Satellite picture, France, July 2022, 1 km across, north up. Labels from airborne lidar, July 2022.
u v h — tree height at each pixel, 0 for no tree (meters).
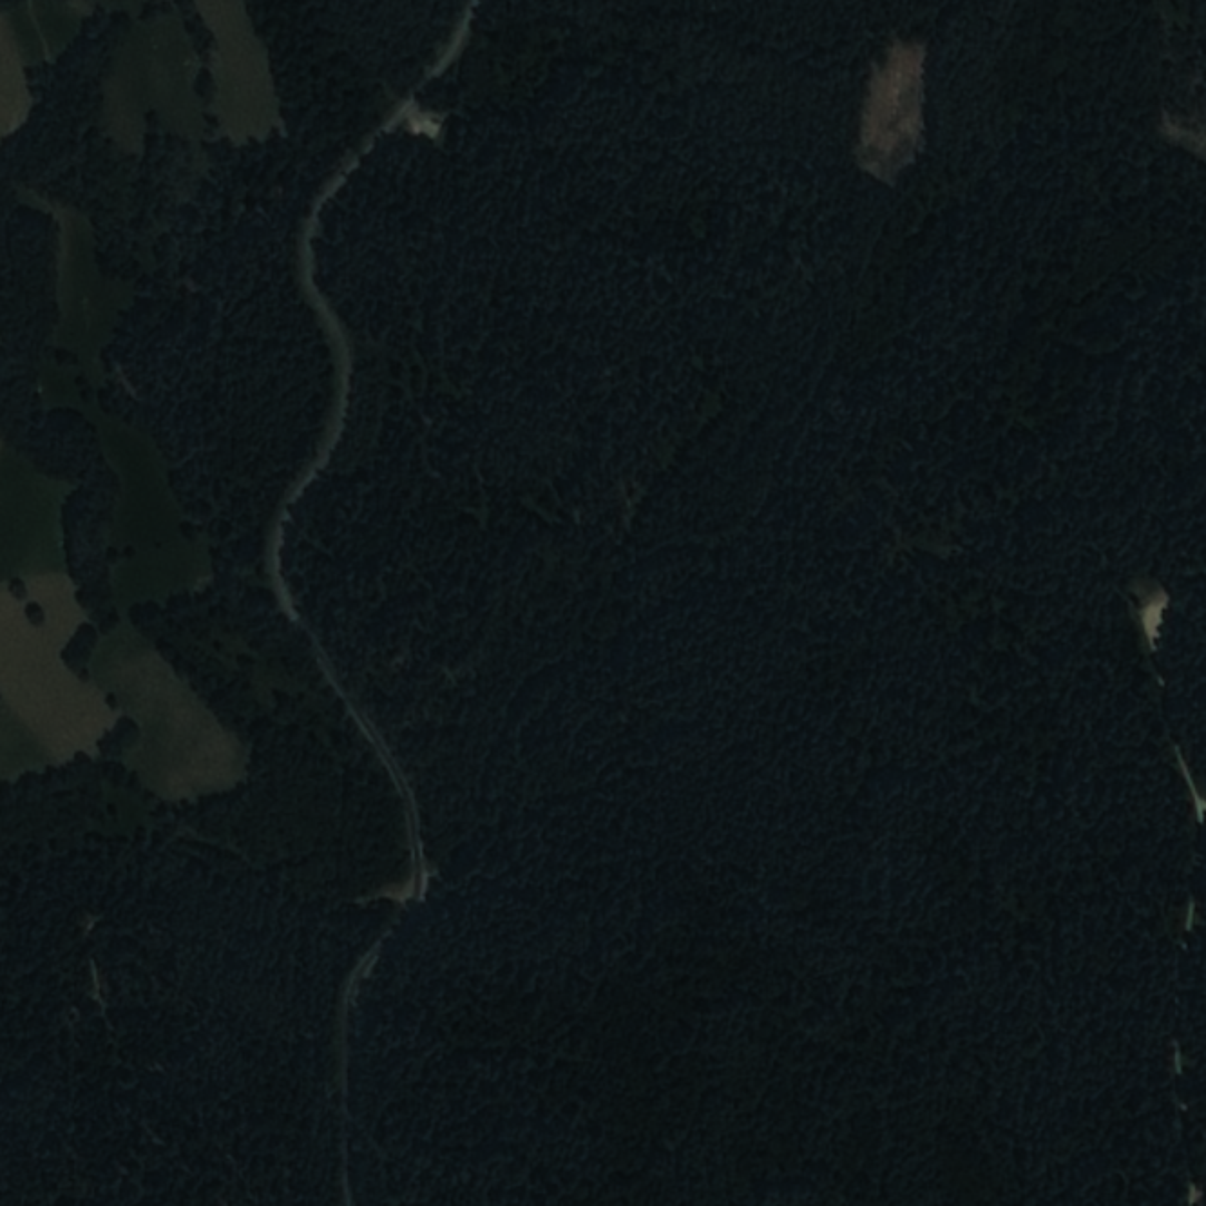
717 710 30
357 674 28
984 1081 23
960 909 28
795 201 8
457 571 29
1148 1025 32
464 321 13
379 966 8
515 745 35
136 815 0
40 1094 32
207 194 25
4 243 25
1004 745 24
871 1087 15
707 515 24
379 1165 23
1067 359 31
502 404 31
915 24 22
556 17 36
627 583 38
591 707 28
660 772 30
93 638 18
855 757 41
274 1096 22
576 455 7
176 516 0
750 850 29
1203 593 33
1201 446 12
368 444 15
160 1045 17
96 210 18
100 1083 12
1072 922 27
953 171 27
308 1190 29
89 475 23
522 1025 11
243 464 7
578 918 30
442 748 17
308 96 16
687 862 23
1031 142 33
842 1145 16
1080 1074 32
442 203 27
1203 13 17
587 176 29
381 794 16
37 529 0
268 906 29
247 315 16
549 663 8
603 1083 14
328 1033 33
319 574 19
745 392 26
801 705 30
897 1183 25
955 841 13
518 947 30
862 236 32
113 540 0
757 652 31
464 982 16
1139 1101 30
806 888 29
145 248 14
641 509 14
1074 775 37
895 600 35
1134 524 35
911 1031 11
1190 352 36
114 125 0
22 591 14
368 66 19
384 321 33
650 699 31
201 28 20
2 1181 23
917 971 11
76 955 9
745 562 32
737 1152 16
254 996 30
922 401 35
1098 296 8
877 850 32
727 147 36
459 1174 26
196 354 31
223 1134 24
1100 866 19
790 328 31
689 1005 12
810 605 18
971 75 29
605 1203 18
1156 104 20
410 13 23
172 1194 20
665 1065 9
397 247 37
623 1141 16
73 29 0
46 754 0
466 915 33
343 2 28
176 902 24
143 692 0
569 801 23
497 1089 28
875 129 0
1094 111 24
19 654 0
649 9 16
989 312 28
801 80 28
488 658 21
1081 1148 9
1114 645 14
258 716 8
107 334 0
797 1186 37
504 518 10
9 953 21
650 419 34
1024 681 23
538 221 30
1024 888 33
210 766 0
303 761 16
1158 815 30
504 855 35
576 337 27
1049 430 7
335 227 33
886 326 19
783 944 18
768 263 31
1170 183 14
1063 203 25
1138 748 30
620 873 32
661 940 10
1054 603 35
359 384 8
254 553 31
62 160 28
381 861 17
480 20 19
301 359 22
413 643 17
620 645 23
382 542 15
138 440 0
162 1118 23
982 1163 17
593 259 36
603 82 33
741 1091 14
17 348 24
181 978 28
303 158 9
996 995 36
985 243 31
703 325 28
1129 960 29
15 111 0
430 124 0
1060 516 35
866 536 25
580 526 33
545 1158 16
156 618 20
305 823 15
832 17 33
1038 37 19
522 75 9
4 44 0
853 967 39
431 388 12
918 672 33
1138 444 29
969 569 13
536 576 18
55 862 10
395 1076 32
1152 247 6
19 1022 19
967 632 14
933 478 33
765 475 30
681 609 32
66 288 0
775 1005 18
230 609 22
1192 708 34
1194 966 33
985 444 26
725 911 24
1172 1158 36
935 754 18
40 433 28
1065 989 33
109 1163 27
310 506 16
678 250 13
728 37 34
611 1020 10
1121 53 15
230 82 0
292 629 20
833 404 33
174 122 0
